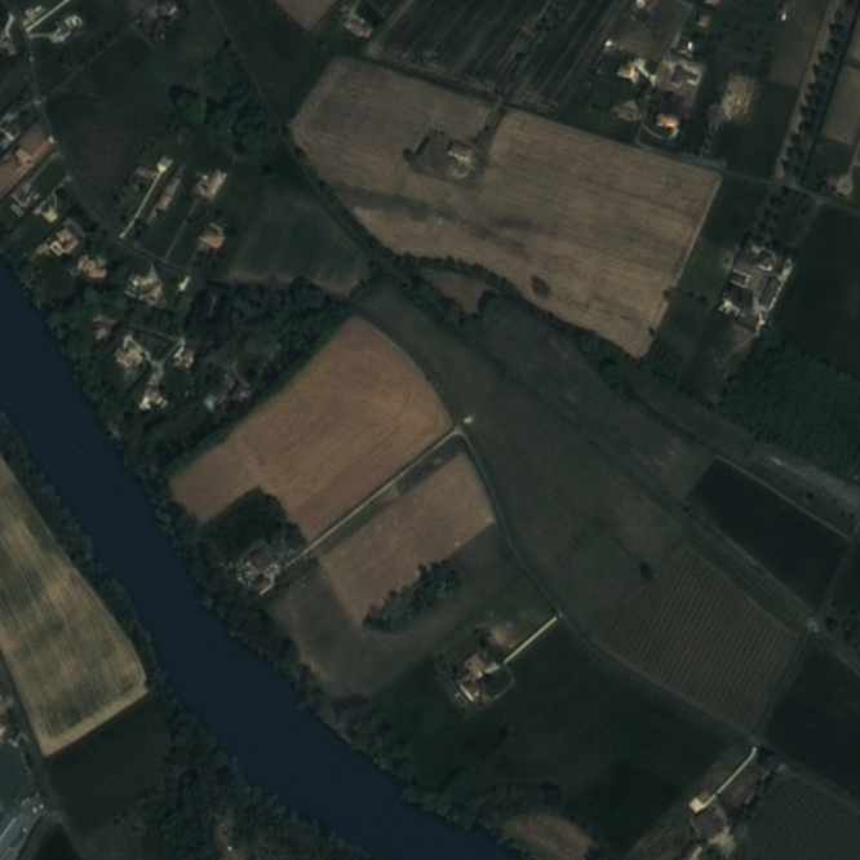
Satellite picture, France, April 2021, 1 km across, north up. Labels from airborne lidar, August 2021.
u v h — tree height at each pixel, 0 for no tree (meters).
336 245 0
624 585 0
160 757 0
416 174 0
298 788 0
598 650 0
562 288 0
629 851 0
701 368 0
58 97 0
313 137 0
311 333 19
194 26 0
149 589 0
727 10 0
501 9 0
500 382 0
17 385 0
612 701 0
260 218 0
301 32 6
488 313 18
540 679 0
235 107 18
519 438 0
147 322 11
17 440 15
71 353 24
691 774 0
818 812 7
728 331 0
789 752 0
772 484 0
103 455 0
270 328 20
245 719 0
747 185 0
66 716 0
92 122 0
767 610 0
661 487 0
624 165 0
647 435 0
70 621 0
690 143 0
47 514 13
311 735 0
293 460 0
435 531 0
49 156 0
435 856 0
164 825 11
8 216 0
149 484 7
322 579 0
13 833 0
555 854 0
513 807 7
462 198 0
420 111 0
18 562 0
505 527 0
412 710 0
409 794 30
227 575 9
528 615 0
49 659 0
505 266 0
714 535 12
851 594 0
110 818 0
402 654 0
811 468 0
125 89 0
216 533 0
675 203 0
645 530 0
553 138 0
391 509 0
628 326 0
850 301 0
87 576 6
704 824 0
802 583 0
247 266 0
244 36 0
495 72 0
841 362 0
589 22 0
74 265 14
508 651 0
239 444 0
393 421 0
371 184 0
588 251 0
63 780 0
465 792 17
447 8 0
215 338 8
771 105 0
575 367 0
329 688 0
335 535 0
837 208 0
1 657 0
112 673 0
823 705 0
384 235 0
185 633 0
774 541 0
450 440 0
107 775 0
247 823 17
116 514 0
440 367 0
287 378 13
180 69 0
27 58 0
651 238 0
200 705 0
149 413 9
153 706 0
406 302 0
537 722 0
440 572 0
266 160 0
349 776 0
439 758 0
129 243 0
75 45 0
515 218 0
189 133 0
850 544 0
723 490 0
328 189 12
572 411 0
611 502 0
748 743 0
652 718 0
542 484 0
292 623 0
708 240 0
